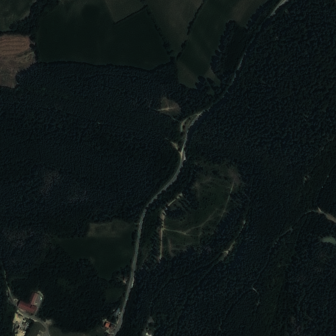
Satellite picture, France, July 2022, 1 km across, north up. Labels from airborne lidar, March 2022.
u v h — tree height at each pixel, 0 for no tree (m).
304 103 19
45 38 0
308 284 33
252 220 18
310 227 12
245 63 17
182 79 0
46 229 27
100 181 20
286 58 23
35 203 26
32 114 30
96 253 0
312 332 38
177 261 23
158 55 0
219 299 22
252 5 0
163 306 16
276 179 18
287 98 20
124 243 0
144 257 0
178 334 14
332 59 22
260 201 20
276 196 15
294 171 20
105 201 28
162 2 0
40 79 22
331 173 11
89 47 0
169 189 12
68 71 24
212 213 0
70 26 0
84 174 21
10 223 26
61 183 28
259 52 23
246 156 24
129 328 8
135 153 22
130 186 24
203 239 6
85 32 0
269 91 17
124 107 18
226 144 15
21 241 28
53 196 30
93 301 10
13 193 29
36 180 27
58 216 21
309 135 25
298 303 38
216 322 19
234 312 16
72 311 8
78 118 24
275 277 17
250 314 15
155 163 18
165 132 20
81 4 0
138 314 27
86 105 25
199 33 0
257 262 14
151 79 22
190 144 10
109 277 0
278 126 24
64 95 12
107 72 24
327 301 28
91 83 25
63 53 0
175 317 18
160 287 21
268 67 23
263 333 16
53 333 0
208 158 25
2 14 0
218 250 15
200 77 0
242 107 33
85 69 21
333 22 6
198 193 0
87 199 28
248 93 18
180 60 0
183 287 23
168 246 0
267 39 21
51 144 23
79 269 25
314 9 29
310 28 23
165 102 0
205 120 20
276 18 8
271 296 11
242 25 0
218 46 0
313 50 21
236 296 19
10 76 19
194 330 23
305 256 12
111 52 0
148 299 25
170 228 0
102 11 0
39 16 26
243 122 26
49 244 29
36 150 19
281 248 13
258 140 26
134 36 0
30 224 22
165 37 10
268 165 13
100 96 19
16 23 20
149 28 0
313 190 10
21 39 16
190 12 0
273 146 26
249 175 29
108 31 0
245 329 17
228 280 23
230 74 26
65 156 21
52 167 19
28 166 26
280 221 15
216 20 0
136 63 0
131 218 23
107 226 0
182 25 0
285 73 28
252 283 22
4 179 16
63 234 21
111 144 15
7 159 21
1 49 19
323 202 20
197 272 24
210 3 0
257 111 30
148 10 9
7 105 26
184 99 29
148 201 19
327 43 23
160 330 14
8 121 24
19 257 28
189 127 0
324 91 29
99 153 22
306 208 12
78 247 0
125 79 26
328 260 31
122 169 26
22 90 17
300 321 37
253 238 18
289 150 27
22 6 0
